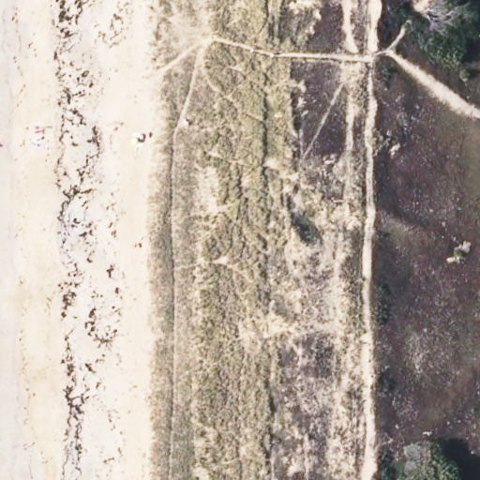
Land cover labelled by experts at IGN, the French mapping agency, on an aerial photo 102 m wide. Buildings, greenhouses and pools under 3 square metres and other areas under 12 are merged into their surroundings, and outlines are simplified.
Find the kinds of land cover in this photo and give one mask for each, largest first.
<instances>
[{"label":"bare soil","instance_id":"1","mask_svg":"<svg viewBox=\"0 0 480 480\"><path fill-rule=\"evenodd\" d=\"M345 41V32L343 7L336 4V0H0V480H334L328 472L326 459L328 424L332 409L322 407L321 411L315 414H307L300 409V401L296 394L304 392L307 399H317V392L321 388L332 386V382H341V358L349 351V337L343 336V343L336 351L330 336L317 330L321 322L324 324L328 319V304L324 302V292L328 289V279L332 276L341 277V264L345 257L351 255V232L358 225V221L349 210V202L360 195V187L356 184L358 172L352 169V126L358 114V105H349L345 111L337 103L330 105V97L339 82V67L356 64L354 60H336V51ZM375 232H399L409 236L412 229L392 214L375 210ZM405 352H409L412 358L416 375L422 373V360L427 354V328H422L418 334H412L405 343Z\"/></svg>","mask_w":480,"mask_h":480},{"label":"herbaceous vegetation","instance_id":"2","mask_svg":"<svg viewBox=\"0 0 480 480\"><path fill-rule=\"evenodd\" d=\"M431 0H381V19L377 24L379 45L386 49L390 41L396 37L399 28L403 26V22L412 19L414 28L409 34H405L401 43L397 45V54H401L405 60L426 71L435 81L442 82L463 101L480 109V39L467 41L465 54L461 60H457L456 54L442 56V47L433 45L439 32L429 28V22L422 15L426 13ZM457 6L465 4L469 11L478 15L472 17V24L474 30L480 32V0H456ZM373 96L377 101L373 127L375 210L392 214L412 229L409 236L399 232H375L371 242L369 300L375 358V384L371 396L375 412L377 452L382 446H386L392 454H396L397 450H403L409 444L426 446L431 450L433 459H444L446 463L456 465L457 474L450 480H480V118H471L454 111L448 103L431 96V92L424 84H420L405 69L397 66L390 56H377L373 81ZM422 328H427V354L422 360V373L416 375L412 358L409 352H405V343L412 334H418Z\"/></svg>","mask_w":480,"mask_h":480},{"label":"pervious surface","instance_id":"3","mask_svg":"<svg viewBox=\"0 0 480 480\"><path fill-rule=\"evenodd\" d=\"M336 4L343 7L345 32V41L336 51V60H354L356 64L339 67V82L330 97V105L337 103L345 111L349 105H358V114L352 126V169L358 172L356 184L360 187V195L349 202V210L358 221V225L351 232V255L345 257L341 264V277L332 276L328 279V289L324 292V302L328 304V319L324 324L321 322L317 330L330 336L336 351L343 343V336L349 337V351L341 358V382H332V386L321 388L317 392V399H307L304 392L296 394L300 401V409L307 414H315L321 411L322 407L332 409L328 424L326 459L328 472L334 480H373V474L377 471V452L375 412L371 396L375 384V358L369 300L371 242L375 232V210L373 127L377 101L373 96V81L377 56H390L397 66L405 69L420 84H424L431 92V96L448 103L454 111L471 118H480V109L463 101L442 82L435 81L426 71L405 60L401 54H397V45L401 43L405 34H409L414 28L412 19L403 22V26L399 28L396 37L390 41L386 49L379 45L377 24L381 19V0H336Z\"/></svg>","mask_w":480,"mask_h":480},{"label":"brushwood","instance_id":"4","mask_svg":"<svg viewBox=\"0 0 480 480\"><path fill-rule=\"evenodd\" d=\"M422 15L429 22V28L439 32L433 45L442 47V56L456 54L457 60H461L465 54L467 41L480 39V32L474 30L472 24V17L478 15L469 11L465 4L457 6L456 0H431L426 13ZM457 474L456 465L446 463L444 459H433L431 450L426 446L409 444L403 450H397L396 454H392L386 446H382L377 452V471L373 474V480H450Z\"/></svg>","mask_w":480,"mask_h":480}]
</instances>
